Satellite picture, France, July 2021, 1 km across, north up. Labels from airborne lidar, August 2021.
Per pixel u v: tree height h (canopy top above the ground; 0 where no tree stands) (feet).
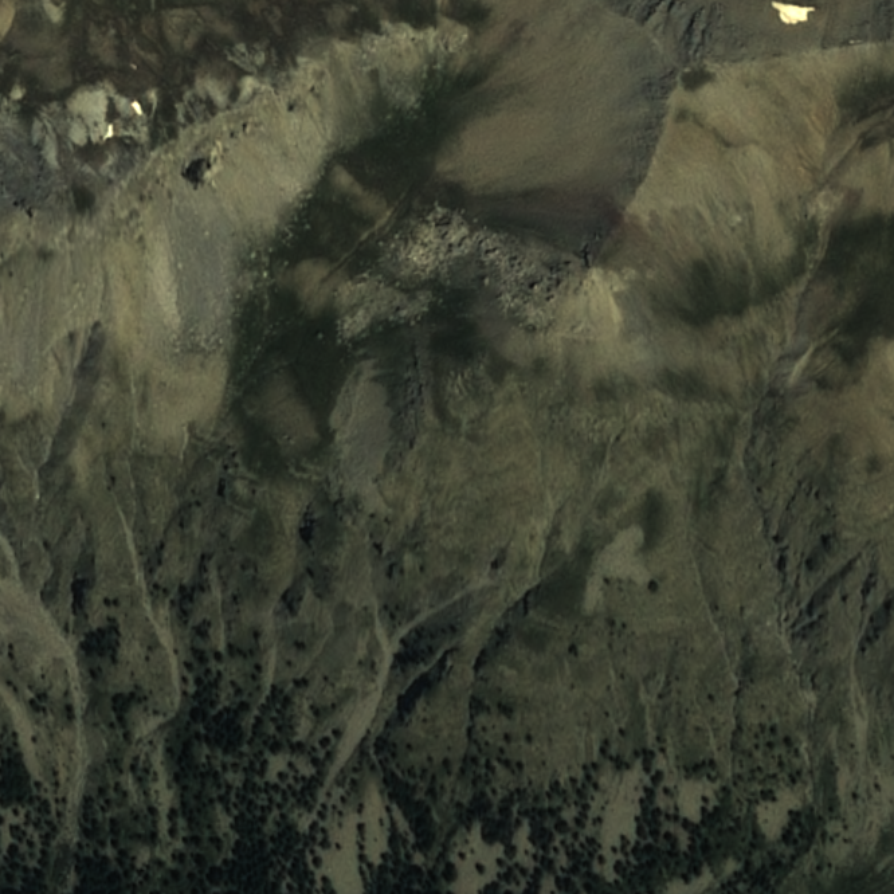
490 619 0
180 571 0
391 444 0
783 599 0
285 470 0
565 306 0
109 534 0
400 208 0
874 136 0
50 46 0
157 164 0
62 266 0
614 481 0
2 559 0
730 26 0
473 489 0
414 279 0
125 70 0
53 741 0
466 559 0
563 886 71
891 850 0
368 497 0
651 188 0
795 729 0
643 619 0
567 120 0
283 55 0
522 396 0
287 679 0
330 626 0
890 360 0
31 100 0
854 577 0
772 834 0
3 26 0
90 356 0
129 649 0
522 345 0
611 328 0
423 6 0
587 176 0
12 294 0
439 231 0
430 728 0
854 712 0
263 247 0
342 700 0
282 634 0
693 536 0
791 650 0
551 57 0
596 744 0
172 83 0
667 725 0
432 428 0
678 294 0
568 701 0
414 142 0
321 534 0
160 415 0
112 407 0
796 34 0
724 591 0
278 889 59
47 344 0
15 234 0
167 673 0
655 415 0
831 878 0
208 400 0
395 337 0
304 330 0
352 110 0
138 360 0
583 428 0
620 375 0
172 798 0
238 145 0
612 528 0
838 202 0
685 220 0
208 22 0
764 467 0
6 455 0
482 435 0
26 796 44
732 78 0
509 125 0
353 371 0
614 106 0
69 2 0
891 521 0
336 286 0
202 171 0
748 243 0
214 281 0
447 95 0
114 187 0
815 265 0
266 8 0
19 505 0
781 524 0
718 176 0
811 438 0
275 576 0
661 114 0
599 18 0
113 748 0
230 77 0
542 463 0
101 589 0
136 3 0
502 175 0
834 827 0
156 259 0
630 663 0
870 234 0
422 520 0
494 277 0
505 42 0
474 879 0
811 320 0
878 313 0
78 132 0
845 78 0
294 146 0
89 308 0
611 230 0
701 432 0
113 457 0
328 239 0
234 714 37
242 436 0
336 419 0
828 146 0
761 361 0
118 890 69
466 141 0
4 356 0
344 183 0
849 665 0
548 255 0
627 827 0
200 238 0
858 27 0
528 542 0
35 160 0
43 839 24
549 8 0
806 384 0
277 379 0
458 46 0
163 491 0
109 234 0
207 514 0
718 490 0
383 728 0
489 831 35
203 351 0
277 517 0
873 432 0
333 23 0
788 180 0
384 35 0
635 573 0
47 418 0
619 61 0
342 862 0
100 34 0
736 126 0
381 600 0
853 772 0
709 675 0
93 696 0
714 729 0
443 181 0
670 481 0
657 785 48
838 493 0
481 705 28
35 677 0
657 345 0
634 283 0
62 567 0
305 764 0
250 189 0
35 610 0
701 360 0
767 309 0
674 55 0
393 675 0
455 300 0
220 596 0
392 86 0
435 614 0
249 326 0
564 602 0
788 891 0
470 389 0
